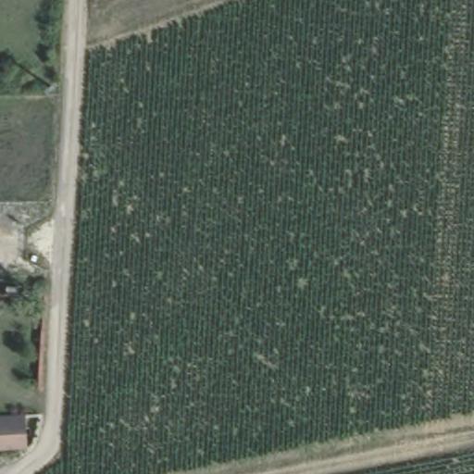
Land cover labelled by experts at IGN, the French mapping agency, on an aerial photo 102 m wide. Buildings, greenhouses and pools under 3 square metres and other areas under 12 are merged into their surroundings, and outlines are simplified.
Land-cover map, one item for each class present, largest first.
<instances>
[{"label":"vineyard","instance_id":"1","mask_svg":"<svg viewBox=\"0 0 474 474\"><path fill-rule=\"evenodd\" d=\"M463 431H467L468 443L472 444L467 448L333 474H474V0H231L222 6L207 9L202 15H193L181 22H172L167 28L152 31V43H146L144 35H131L128 39L117 41L113 48L102 46L85 52L80 156L74 204V241L70 259L61 448L56 459L44 465L35 474H252L268 468L291 467L315 459H330L339 455L402 444L405 441H422Z\"/></svg>","mask_w":474,"mask_h":474},{"label":"pervious surface","instance_id":"2","mask_svg":"<svg viewBox=\"0 0 474 474\"><path fill-rule=\"evenodd\" d=\"M87 0H67L61 46L65 54V72L61 74V76H65L63 137L59 176L56 213L52 220L44 222L41 230L31 233V243L35 250L43 252L44 259L50 265V281L52 289L44 294L37 383L39 391L46 394V411L24 415L28 420V431L24 433L26 443L22 444L19 450H0V474H35L44 465L56 459L61 448L70 259L74 241V204L80 156L85 52ZM24 233H6L0 228V263L4 267L19 265L30 274L35 268L30 267L26 259H22ZM472 444L468 443L467 431H463L422 441H405L402 444L339 455L330 459H315L291 467L268 468L252 474H333L467 448Z\"/></svg>","mask_w":474,"mask_h":474},{"label":"herbaceous vegetation","instance_id":"3","mask_svg":"<svg viewBox=\"0 0 474 474\"><path fill-rule=\"evenodd\" d=\"M41 6V0H0V52H9L17 61L28 65V69L35 72L37 78L44 74L41 61L46 59L61 74L65 72V54L61 46L57 50H48L44 44H39L41 35L35 13ZM50 98L59 107L54 113V128L56 133L63 137L65 76H61L44 91L28 93L26 100L30 102ZM59 176L52 178L50 189L41 196V200L0 202V228L6 233H24L22 259H26L30 267L35 268L30 274L19 265L4 267L0 263V300L6 302L7 306L15 302H30L33 287H44L50 281V265L44 259L43 252L35 250L31 243V233L41 230L44 222L52 220L56 213ZM20 352H24L22 324L11 320V311L7 307L0 309V417L24 415L46 411V394L39 391L37 383L33 385L31 381H17L11 376V370L19 363Z\"/></svg>","mask_w":474,"mask_h":474},{"label":"agricultural land","instance_id":"4","mask_svg":"<svg viewBox=\"0 0 474 474\"><path fill-rule=\"evenodd\" d=\"M231 0H87L85 52L102 46L113 48L117 41L128 39L131 35H144L146 43H152V31L167 28L172 22H181L193 15H202L207 9L222 6ZM28 93L0 94V202L41 200V196L50 189L52 178L59 176L63 137L56 133L54 128V113L59 107L50 98L30 102L26 100Z\"/></svg>","mask_w":474,"mask_h":474},{"label":"brushwood","instance_id":"5","mask_svg":"<svg viewBox=\"0 0 474 474\"><path fill-rule=\"evenodd\" d=\"M67 0H41V6L35 13L41 35L39 44H44L48 50H57L61 46ZM44 74L37 78L35 72L28 69V65L17 61L9 52H0V94L28 93L44 91L61 76V74L46 59L41 61Z\"/></svg>","mask_w":474,"mask_h":474},{"label":"deciduous trees","instance_id":"6","mask_svg":"<svg viewBox=\"0 0 474 474\"><path fill-rule=\"evenodd\" d=\"M52 289L50 281L44 287H33L30 302H15L7 306L6 302L0 300V309L7 307L11 311V320L22 324L24 352H20L19 363L11 370V376L17 381H31L33 385L37 383L44 294Z\"/></svg>","mask_w":474,"mask_h":474},{"label":"building","instance_id":"7","mask_svg":"<svg viewBox=\"0 0 474 474\"><path fill-rule=\"evenodd\" d=\"M28 431V420L24 415L0 417V450H19L22 444L26 443L24 433Z\"/></svg>","mask_w":474,"mask_h":474}]
</instances>
